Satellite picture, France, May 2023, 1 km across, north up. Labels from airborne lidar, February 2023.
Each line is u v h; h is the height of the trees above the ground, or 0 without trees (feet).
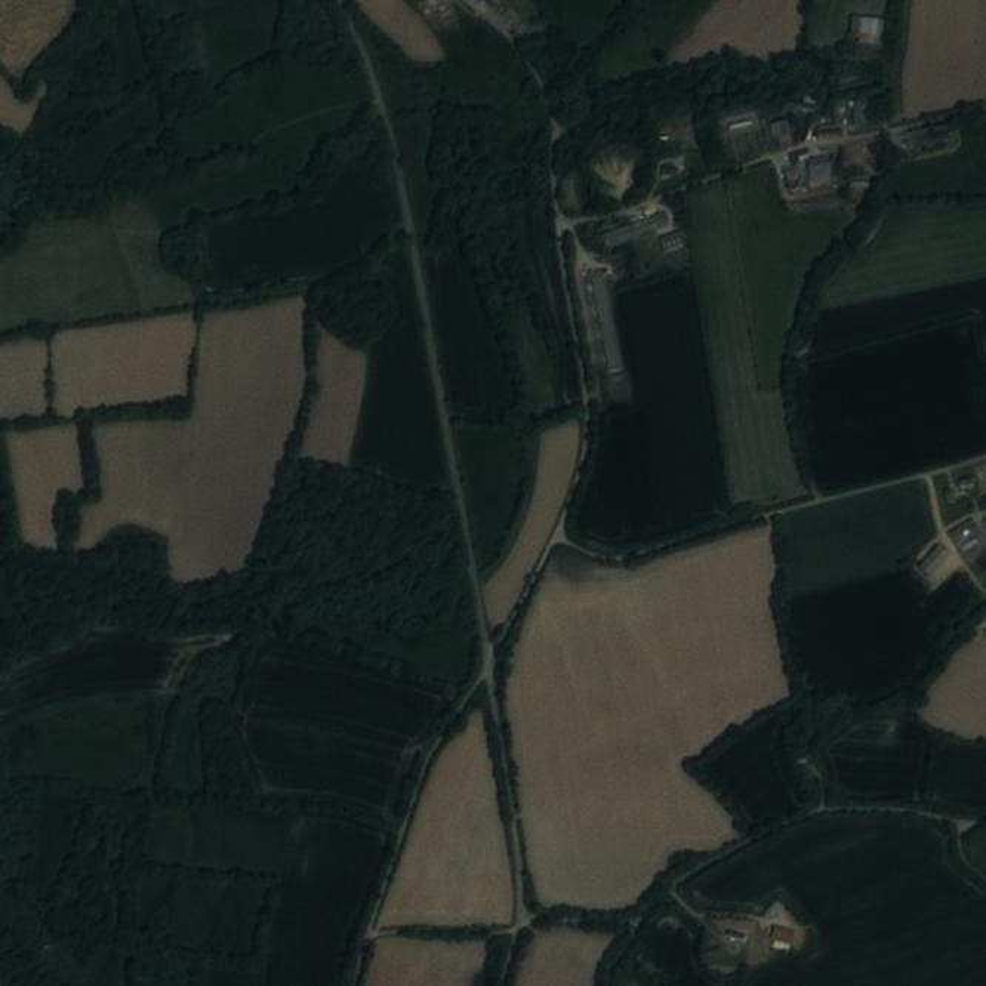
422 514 73
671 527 0
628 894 0
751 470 0
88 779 0
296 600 46
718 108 38
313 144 0
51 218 44
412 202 0
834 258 39
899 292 0
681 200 37
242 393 0
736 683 0
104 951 33
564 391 0
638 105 79
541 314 27
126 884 44
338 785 0
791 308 0
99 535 0
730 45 0
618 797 0
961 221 0
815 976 0
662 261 0
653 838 0
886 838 0
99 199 37
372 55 0
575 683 0
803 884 0
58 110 21
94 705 0
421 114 18
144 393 0
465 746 0
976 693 0
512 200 37
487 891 0
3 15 0
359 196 0
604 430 0
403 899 0
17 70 0
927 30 0
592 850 0
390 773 0
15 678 0
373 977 0
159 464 0
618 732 0
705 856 29
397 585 37
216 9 0
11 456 0
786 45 0
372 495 65
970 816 0
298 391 0
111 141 0
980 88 0
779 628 32
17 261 0
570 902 0
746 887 0
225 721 52
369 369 0
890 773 0
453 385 0
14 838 40
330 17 23
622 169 0
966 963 0
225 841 0
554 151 24
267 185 0
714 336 0
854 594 0
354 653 52
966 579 0
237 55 0
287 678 0
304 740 0
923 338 0
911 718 28
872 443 0
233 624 64
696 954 23
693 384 0
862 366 0
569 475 0
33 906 42
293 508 72
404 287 0
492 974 47
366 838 0
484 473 0
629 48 0
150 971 33
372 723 0
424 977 0
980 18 0
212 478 0
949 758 0
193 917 0
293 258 0
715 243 0
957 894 0
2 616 60
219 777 44
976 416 0
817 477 0
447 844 0
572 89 84
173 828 0
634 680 0
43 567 69
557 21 0
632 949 34
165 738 27
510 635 27
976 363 0
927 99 0
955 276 0
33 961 40
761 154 0
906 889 0
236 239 0
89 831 26
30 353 0
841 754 0
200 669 40
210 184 0
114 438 0
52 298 0
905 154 22
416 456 0
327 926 0
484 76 0
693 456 0
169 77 35
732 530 31
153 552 62
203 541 0
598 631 0
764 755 0
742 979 22
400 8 0
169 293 0
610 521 0
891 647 0
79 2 46
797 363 29
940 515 0
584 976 0
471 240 68
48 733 0
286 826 0
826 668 0
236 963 35
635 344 0
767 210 0
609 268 0
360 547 69
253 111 0
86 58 0
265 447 0
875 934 0
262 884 38
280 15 31
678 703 0
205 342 0
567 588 0
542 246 0
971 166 0
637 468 0
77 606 60
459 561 39
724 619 0
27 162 32
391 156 38
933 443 0
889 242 0
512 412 57
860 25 0
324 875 0
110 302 0
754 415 0
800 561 0
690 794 0
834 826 0
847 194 29
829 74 22
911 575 0
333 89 0
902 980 0
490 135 61
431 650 0
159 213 0
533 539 0
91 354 0
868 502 0
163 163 65
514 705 0
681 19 0
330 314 73
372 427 0
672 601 0
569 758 0
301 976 0
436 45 0
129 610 61
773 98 41
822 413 0
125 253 0
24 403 0
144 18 53
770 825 40
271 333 0
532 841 0
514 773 28
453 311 0
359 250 0
